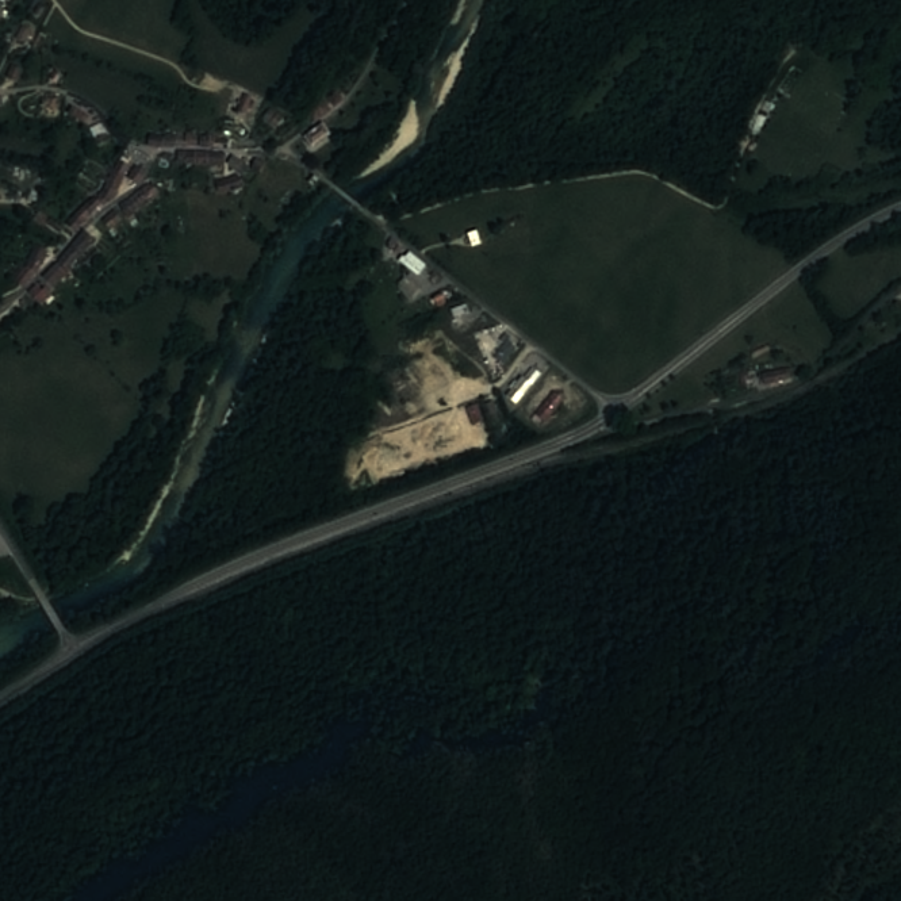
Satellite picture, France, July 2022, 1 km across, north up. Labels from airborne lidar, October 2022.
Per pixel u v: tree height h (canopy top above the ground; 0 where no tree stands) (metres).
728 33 20
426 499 0
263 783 19
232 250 0
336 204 0
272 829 8
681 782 20
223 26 13
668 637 23
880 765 13
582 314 0
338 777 12
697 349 0
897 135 17
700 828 12
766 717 12
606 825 31
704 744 24
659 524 23
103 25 0
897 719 11
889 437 32
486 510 15
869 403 20
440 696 19
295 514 11
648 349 0
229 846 10
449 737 16
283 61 0
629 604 34
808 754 14
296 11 11
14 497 0
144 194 0
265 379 22
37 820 13
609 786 29
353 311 17
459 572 11
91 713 16
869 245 17
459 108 15
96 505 11
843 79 0
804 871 12
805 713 18
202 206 0
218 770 10
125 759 13
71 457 0
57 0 0
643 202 0
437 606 13
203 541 13
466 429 0
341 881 7
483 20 10
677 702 23
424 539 6
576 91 12
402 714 19
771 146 0
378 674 16
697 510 26
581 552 27
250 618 13
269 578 7
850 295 0
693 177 20
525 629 11
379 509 0
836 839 13
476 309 0
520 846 8
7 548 0
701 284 0
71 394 0
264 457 16
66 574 21
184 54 7
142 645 13
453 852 14
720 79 15
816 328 0
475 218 0
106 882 10
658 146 10
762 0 9
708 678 35
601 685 25
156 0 0
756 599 28
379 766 11
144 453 23
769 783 17
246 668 16
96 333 0
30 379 0
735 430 10
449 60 0
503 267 0
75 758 19
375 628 14
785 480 16
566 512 28
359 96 7
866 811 11
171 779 12
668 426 10
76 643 0
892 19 13
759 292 0
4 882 13
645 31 9
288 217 14
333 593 10
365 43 23
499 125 12
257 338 0
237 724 15
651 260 0
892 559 21
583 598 20
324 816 11
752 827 8
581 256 0
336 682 15
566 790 18
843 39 8
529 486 14
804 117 0
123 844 17
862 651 11
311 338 18
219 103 0
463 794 7
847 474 28
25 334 0
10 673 17
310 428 14
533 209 0
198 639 12
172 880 9
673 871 17
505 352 0
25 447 0
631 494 23
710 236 0
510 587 9
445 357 0
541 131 17
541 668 10
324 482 15
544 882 9
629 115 11
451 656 13
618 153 10
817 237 19
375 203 18
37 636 17
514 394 0
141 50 0
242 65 0
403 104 16
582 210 0
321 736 17
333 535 0
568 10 7
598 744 24
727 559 25
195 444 0
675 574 30
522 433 15
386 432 0
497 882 10
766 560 28
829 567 29
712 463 33
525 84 20
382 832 11
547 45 16
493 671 15
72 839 9
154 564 11
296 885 9
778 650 25
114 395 0
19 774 11
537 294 0
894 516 23
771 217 13
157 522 0
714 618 29
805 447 18
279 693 19
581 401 0
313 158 23
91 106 0
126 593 14
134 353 0
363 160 13
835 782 11
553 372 0
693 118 18
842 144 0
